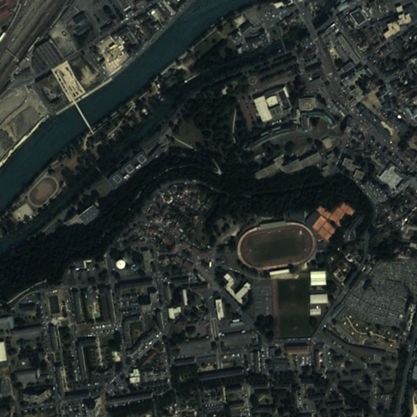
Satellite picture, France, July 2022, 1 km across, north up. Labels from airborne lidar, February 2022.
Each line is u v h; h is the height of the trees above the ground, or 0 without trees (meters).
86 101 0
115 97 0
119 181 0
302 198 17
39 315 9
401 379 6
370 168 9
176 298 14
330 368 0
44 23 0
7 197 0
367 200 10
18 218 0
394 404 9
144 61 0
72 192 0
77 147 24
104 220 10
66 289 0
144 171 16
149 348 0
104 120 7
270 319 14
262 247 0
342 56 0
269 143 11
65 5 0
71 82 0
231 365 0
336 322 10
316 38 0
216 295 10
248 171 21
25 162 0
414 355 8
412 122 0
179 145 0
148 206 0
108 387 0
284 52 10
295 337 0
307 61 7
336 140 0
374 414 0
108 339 0
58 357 0
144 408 15
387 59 8
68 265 10
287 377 16
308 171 16
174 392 15
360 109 0
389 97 18
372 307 0
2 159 0
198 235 0
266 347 0
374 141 6
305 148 0
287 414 0
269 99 0
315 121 21
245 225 0
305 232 0
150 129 0
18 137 0
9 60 0
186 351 0
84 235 21
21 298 0
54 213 0
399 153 0
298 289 0
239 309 0
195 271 10
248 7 11
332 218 0
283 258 0
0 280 17
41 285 0
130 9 0
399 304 0
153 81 7
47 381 12
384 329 0
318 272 0
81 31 0
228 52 20
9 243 0
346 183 22
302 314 0
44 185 0
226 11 0
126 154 8
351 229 0
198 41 10
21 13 0
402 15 0
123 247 0
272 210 22
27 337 0
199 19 0
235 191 17
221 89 11
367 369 0
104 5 0
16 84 0
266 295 0
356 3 0
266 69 8
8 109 0
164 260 0
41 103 0
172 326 0
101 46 0
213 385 17
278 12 0
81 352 0
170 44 0
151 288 0
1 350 0
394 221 0
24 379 0
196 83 17
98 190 0
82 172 27
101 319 7
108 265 0
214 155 20
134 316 0
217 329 0
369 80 0
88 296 0
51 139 0
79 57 0
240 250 0
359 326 0
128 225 14
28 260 17
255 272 13
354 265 7
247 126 17
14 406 0
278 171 0
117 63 0
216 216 17
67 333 10
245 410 0
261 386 0
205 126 17
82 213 0
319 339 0
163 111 0
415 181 0
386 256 12
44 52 0
